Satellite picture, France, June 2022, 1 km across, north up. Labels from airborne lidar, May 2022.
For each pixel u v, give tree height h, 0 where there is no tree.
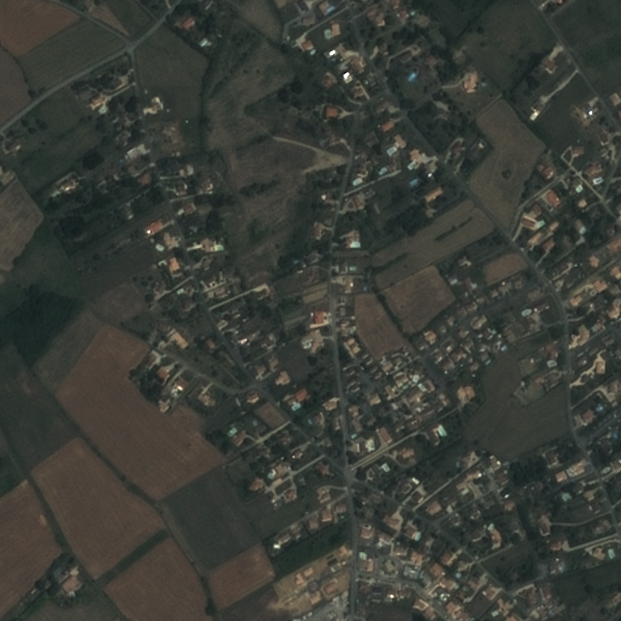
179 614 0
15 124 0
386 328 0
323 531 6
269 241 0
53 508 0
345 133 6
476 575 6
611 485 10
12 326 6
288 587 0
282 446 14
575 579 0
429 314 0
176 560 0
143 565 0
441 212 7
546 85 0
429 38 8
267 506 0
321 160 0
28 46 0
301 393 0
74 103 0
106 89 9
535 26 0
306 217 0
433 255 0
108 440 0
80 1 13
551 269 10
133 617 0
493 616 0
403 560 0
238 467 0
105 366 0
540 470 12
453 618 0
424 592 0
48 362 0
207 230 11
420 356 0
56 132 0
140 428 0
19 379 0
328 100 11
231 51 0
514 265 0
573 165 0
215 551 0
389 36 0
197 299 13
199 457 0
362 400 5
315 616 0
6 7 0
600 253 0
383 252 0
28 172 0
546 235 0
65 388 0
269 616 0
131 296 0
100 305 0
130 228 0
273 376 0
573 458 6
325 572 0
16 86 0
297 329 6
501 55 0
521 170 0
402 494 6
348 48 0
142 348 0
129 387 0
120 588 0
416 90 0
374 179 7
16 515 0
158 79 0
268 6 0
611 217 9
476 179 0
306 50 8
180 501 0
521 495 0
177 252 10
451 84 0
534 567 9
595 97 0
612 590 8
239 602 0
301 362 0
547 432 0
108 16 0
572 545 5
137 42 0
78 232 21
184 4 9
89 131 0
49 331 7
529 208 7
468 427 0
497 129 0
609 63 0
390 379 8
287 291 0
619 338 0
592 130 0
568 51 0
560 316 0
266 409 0
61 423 0
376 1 9
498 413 0
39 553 0
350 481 0
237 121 0
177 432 0
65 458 0
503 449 0
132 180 12
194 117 0
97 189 8
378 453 0
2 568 0
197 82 0
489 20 0
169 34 0
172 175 6
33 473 0
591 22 0
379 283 0
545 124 0
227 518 0
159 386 7
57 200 14
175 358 0
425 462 9
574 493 6
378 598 0
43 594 8
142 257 0
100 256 9
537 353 0
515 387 0
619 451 6
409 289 0
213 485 0
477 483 6
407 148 10
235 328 0
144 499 0
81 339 0
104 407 0
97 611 0
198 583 0
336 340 0
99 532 0
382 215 0
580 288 0
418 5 13
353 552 0
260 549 0
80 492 0
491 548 8
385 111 8
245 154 0
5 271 0
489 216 0
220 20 0
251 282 0
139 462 0
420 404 0
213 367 7
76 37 0
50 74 0
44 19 0
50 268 0
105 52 0
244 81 0
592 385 10
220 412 0
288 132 6
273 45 7
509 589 12
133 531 0
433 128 15
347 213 8
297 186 0
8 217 0
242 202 0
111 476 0
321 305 0
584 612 0
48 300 12
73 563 15
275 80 0
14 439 0
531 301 0
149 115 0
